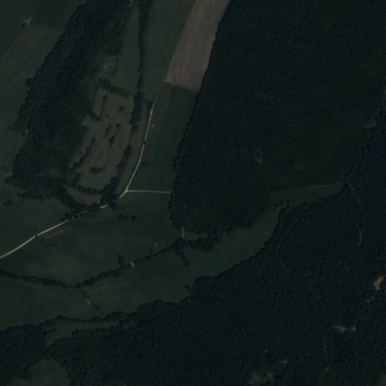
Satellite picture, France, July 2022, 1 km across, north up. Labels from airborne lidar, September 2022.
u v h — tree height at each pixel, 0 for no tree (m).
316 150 12
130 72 0
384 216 15
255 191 17
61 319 18
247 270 20
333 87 13
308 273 19
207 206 14
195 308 15
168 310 21
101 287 0
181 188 19
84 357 18
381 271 19
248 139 15
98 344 7
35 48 0
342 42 31
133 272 0
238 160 14
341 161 15
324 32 10
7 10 0
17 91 0
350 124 19
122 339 24
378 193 20
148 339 24
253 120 12
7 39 0
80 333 17
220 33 16
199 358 19
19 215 0
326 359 24
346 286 25
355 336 26
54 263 0
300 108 14
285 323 21
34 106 14
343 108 16
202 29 0
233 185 19
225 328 16
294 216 11
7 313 0
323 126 17
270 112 14
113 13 12
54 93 16
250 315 19
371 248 23
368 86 14
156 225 0
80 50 6
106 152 0
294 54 11
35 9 0
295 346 24
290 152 12
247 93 13
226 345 19
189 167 18
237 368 21
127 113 0
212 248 38
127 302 0
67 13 0
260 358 21
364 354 27
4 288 0
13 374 6
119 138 0
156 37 0
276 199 0
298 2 19
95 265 0
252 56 15
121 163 6
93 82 0
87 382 19
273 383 22
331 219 15
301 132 14
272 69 18
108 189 15
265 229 0
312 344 21
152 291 0
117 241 0
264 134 17
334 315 23
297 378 26
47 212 0
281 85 11
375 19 15
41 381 0
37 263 0
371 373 17
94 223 0
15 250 0
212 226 26
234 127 13
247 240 0
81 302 0
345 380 22
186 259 20
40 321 0
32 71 0
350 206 17
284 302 27
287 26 16
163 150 0
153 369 17
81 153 0
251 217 8
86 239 0
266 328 19
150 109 11
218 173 15
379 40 12
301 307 25
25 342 26
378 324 25
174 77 0
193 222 15
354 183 17
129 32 0
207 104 8
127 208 0
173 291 0
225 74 15
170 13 0
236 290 18
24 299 0
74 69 11
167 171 0
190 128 15
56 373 0
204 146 15
